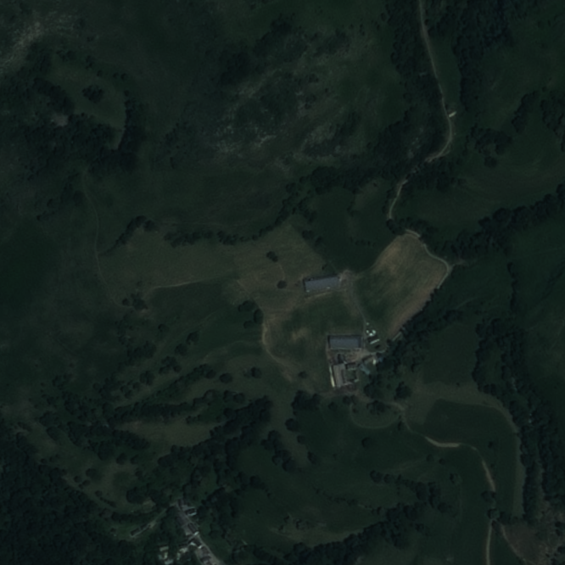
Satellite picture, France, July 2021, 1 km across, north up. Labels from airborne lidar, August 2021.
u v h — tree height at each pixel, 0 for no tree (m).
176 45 0
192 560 11
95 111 0
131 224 9
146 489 11
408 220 9
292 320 0
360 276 0
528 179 0
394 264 0
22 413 0
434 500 20
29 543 20
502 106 0
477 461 0
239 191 0
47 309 0
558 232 0
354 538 20
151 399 9
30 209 0
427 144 7
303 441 16
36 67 10
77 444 18
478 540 0
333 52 6
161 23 0
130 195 0
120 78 13
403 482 13
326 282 0
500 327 23
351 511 0
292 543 0
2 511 13
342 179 19
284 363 0
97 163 9
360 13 0
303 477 0
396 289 0
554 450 23
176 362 24
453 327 0
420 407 0
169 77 0
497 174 0
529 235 0
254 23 0
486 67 0
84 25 10
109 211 0
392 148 16
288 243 0
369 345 0
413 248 0
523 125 22
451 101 0
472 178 0
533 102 23
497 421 0
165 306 0
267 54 8
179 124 8
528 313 0
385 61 0
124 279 0
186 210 0
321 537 0
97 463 0
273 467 0
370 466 0
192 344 20
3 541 16
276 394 0
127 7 0
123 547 23
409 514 25
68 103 21
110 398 14
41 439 0
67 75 0
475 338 0
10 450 14
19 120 9
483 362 17
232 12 0
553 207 27
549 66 0
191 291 0
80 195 9
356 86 0
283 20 12
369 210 0
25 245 0
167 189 0
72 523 18
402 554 0
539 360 0
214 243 0
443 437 0
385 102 0
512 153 0
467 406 0
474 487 0
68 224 0
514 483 0
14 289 0
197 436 0
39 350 0
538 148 0
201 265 0
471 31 23
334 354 0
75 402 16
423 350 15
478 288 0
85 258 0
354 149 0
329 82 0
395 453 0
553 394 0
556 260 0
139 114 21
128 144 19
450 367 0
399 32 14
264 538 0
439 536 0
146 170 0
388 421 0
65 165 6
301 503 0
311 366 0
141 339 0
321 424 0
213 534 12
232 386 0
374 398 13
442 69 0
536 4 10
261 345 0
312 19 0
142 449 22
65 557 17
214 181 0
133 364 12
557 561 21
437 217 0
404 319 0
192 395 0
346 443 0
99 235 0
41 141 8
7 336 0
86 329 0
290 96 5
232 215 0
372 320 0
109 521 15
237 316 0
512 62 0
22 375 0
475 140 12
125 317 8
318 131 0
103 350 0
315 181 19
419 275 0
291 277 0
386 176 25
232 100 13
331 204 0
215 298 0
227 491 23
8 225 0
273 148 0
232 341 0
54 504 32
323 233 0
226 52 11
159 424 0
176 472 20
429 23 25
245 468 0
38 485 22
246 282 0
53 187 0
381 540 0
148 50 0
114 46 0
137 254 0
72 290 0
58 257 0
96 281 0
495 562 0
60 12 0
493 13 15
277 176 0
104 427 16
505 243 21
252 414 29
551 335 0
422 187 15
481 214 0
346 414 0
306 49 7
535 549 0
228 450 19
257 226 0
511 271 17
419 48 11
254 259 0
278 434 11
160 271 0
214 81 12
